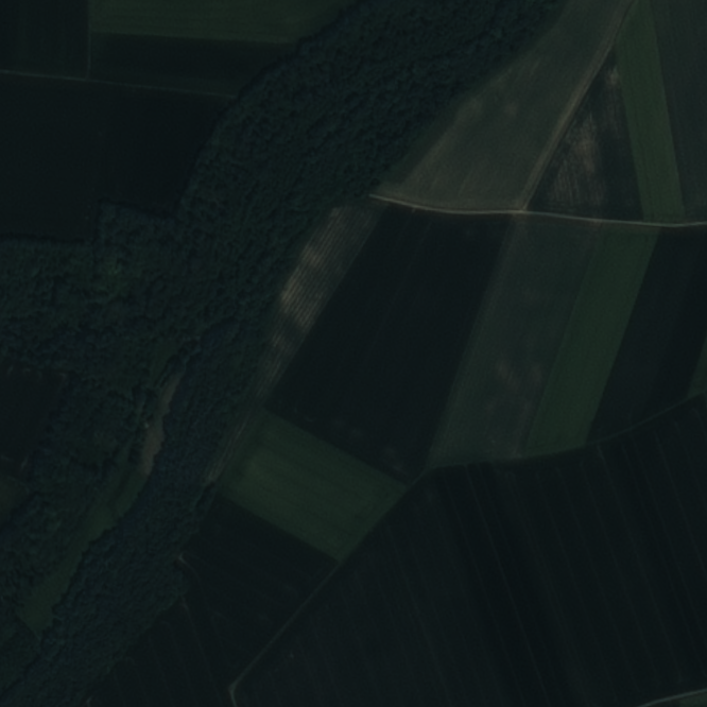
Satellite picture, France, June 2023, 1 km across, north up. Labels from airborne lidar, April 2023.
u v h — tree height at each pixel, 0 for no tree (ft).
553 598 0
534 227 0
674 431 0
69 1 0
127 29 0
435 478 0
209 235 62
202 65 0
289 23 0
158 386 18
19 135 0
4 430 0
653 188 0
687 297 0
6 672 60
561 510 0
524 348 0
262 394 0
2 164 0
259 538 0
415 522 0
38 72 0
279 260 68
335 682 0
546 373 0
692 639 0
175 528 82
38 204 0
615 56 0
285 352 0
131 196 0
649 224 0
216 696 0
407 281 0
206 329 0
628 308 0
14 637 61
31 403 0
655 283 0
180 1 0
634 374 0
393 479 0
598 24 0
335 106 73
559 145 0
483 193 0
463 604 0
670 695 0
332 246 0
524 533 0
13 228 0
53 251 20
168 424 66
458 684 0
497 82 0
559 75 0
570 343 0
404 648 0
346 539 0
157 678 0
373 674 0
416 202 0
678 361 0
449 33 81
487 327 0
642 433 0
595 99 0
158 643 0
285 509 0
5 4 0
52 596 0
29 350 41
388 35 63
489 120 0
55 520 72
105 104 0
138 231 66
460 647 0
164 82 0
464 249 0
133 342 51
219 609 0
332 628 0
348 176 72
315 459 0
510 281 0
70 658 88
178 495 70
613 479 0
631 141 0
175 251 95
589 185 0
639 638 0
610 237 0
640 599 0
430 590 0
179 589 48
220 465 0
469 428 0
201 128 0
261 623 0
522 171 0
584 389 0
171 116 0
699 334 0
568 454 0
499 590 0
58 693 71
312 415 0
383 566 0
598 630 0
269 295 47
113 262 66
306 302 0
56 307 105
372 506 0
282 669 0
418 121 81
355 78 75
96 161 0
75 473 89
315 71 93
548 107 0
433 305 0
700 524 0
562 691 0
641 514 0
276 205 64
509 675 0
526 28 70
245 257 63
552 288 0
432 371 0
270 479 0
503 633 0
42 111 0
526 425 0
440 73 65
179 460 63
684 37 0
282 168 67
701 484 0
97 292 97
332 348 0
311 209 61
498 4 92
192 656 0
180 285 91
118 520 0
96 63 0
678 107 0
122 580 90
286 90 53
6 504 0
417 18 73
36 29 0
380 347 0
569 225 0
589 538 0
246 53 0
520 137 0
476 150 0
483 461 0
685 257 0
